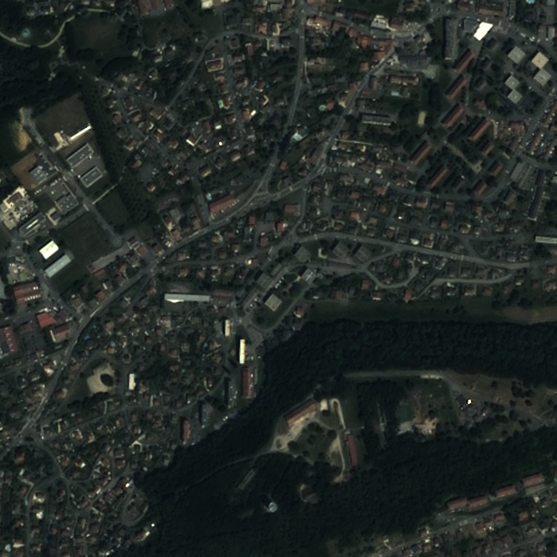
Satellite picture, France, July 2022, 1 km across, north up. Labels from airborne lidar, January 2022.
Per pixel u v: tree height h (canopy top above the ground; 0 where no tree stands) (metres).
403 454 17
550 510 0
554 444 18
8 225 0
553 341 23
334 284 8
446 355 26
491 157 15
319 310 0
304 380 16
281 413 12
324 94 6
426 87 17
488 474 21
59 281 0
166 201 0
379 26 0
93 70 0
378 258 0
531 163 0
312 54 12
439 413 0
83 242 0
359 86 0
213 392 0
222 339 0
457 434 0
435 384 0
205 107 13
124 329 0
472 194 17
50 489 10
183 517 7
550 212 14
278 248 0
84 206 0
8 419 9
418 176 0
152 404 0
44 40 0
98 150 0
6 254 0
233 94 0
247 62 6
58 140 0
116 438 6
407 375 0
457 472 17
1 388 0
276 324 0
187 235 0
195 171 0
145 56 13
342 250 0
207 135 0
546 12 8
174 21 0
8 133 0
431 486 18
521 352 24
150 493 20
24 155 0
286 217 0
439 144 0
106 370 0
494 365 22
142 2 0
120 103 0
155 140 0
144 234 0
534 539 0
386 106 0
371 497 17
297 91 0
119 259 13
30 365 0
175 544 13
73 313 0
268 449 0
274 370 15
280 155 8
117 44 0
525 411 0
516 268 0
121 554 15
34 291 0
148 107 0
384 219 0
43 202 0
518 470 9
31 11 0
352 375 0
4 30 0
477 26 0
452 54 0
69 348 0
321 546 11
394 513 16
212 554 14
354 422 0
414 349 21
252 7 0
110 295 0
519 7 15
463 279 0
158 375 12
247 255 0
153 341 0
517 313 0
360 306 0
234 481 7
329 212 0
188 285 0
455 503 0
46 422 0
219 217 0
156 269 0
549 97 0
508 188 5
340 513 14
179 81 14
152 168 0
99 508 8
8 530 12
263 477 7
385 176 0
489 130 0
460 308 9
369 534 15
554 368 21
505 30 0
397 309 0
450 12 0
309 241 0
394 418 10
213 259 0
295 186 0
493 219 6
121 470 0
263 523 10
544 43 0
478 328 8
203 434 0
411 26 0
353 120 18
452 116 0
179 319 0
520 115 0
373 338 19
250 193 0
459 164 13
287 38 0
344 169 0
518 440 16
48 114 0
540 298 0
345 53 0
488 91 0
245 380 0
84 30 0
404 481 23
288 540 10
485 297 0
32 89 12
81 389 0
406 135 18
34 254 0
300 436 0
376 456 11
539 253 18
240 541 14
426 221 0
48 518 0
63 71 6
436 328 24
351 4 0
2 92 14
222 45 0
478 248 0
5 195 6
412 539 0
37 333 0
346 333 24
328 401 0
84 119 0
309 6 0
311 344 22
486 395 0
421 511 22
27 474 0
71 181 0
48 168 0
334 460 0
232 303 0
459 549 0
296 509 17
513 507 8
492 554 0
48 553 13
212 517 7
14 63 7
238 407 0
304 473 17
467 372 13
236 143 0
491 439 0
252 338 0
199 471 7
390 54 0
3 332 0
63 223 0
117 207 0
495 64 0
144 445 0
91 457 6
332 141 0
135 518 0
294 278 0
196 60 0
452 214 0
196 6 10
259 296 7
